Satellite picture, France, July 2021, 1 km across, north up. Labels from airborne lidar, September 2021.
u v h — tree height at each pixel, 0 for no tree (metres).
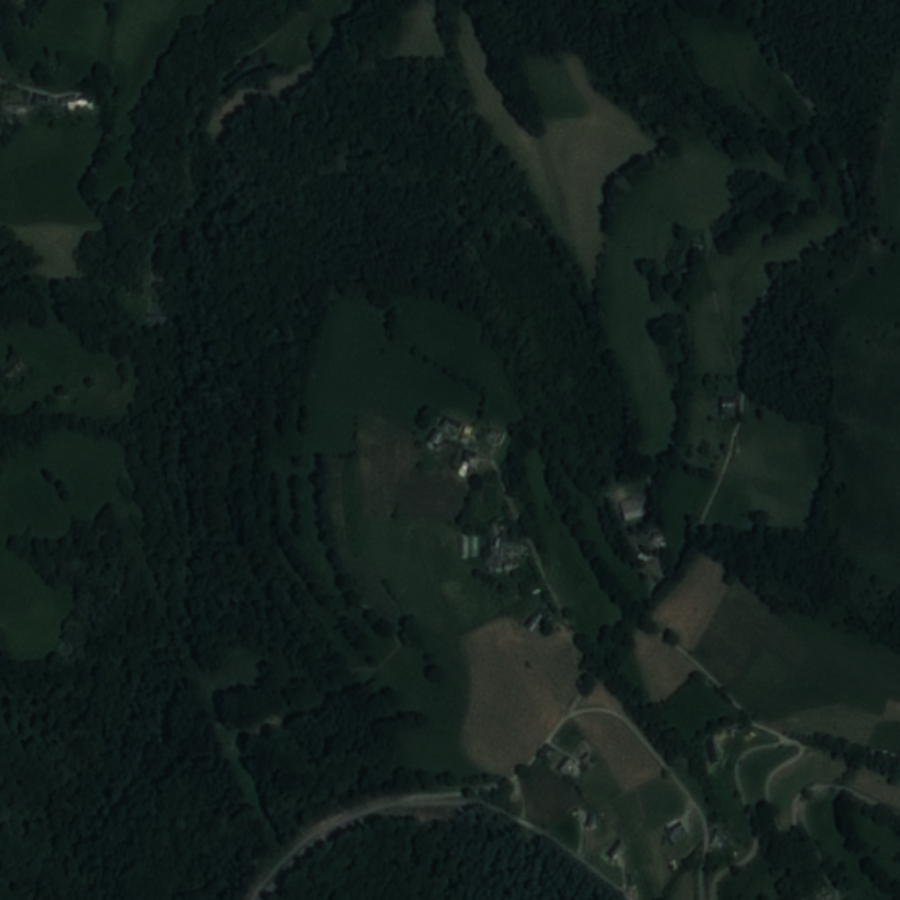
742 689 0
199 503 31
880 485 0
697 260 21
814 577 14
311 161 23
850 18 12
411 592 0
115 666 21
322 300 17
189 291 9
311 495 0
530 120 31
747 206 18
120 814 21
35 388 0
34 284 27
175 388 10
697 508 0
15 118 7
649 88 15
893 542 0
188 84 26
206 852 22
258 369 27
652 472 24
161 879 29
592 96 0
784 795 0
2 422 27
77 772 23
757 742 0
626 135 0
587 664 15
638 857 0
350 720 29
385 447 0
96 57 0
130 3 0
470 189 28
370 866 23
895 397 0
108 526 29
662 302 7
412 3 21
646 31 16
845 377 0
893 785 14
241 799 21
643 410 0
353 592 13
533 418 13
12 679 29
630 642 23
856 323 0
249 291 31
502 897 25
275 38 0
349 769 32
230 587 18
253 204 28
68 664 24
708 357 0
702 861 9
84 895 31
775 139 23
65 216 0
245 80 23
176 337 9
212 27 22
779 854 20
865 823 0
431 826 6
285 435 16
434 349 0
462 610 0
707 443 8
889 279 0
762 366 24
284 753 31
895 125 0
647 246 0
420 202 24
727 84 0
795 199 11
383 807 0
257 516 13
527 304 8
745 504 0
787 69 16
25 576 0
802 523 0
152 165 22
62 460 0
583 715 0
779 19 17
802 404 13
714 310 0
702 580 0
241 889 20
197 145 19
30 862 33
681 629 0
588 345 9
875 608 9
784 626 0
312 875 22
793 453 0
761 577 17
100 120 7
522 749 0
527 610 0
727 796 0
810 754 0
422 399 0
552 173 0
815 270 8
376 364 0
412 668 0
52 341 0
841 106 10
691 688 7
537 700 0
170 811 30
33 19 21
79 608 16
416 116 24
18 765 27
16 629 0
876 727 0
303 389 20
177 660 9
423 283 24
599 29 16
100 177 12
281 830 22
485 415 15
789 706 0
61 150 0
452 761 0
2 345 0
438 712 0
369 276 24
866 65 11
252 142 27
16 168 0
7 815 30
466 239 29
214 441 20
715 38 0
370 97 27
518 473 25
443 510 0
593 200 0
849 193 15
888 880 24
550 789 0
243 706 29
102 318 36
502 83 28
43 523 0
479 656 0
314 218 21
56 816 26
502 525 7
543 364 8
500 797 20
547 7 25
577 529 20
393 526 0
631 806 0
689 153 0
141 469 22
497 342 16
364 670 0
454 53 14
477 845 23
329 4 0
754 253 0
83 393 0
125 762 20
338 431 0
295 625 29
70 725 8
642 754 0
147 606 12
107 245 14
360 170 20
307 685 15
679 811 0
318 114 31
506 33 23
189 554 9
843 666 0
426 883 27
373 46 23
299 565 24
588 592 0
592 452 12
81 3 0
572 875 25
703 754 11
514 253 9
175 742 29
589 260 0
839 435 12
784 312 20
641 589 0
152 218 29
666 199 0
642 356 0
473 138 25
